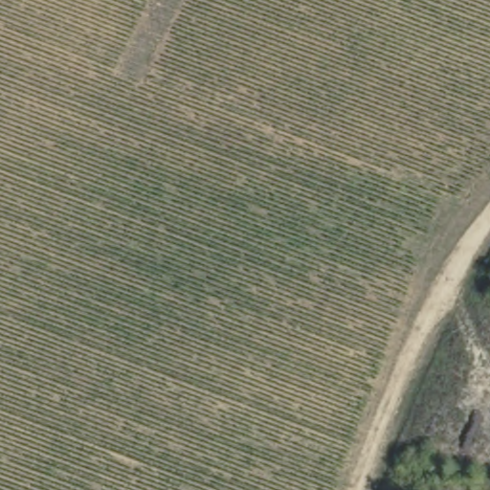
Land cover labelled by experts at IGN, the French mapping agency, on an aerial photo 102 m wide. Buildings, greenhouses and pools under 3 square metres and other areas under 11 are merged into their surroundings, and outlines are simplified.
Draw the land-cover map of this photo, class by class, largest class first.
<instances>
[{"label":"vineyard","instance_id":"1","mask_svg":"<svg viewBox=\"0 0 490 490\"><path fill-rule=\"evenodd\" d=\"M490 163V0H0V490H343L337 484V471L345 463L346 452L354 442L358 425L364 421L362 410L367 404L366 398L358 396L356 389L371 392V385L367 383V379L379 373V364L383 360L385 346L389 341L390 325L398 318L392 306H400L408 291L413 255L408 247L402 245V241L415 234L417 230L427 232V226L421 224H425L427 218L433 216L436 201L457 199L456 193L463 189L465 182L471 180V176L482 174V167Z\"/></svg>","mask_w":490,"mask_h":490},{"label":"herbaceous vegetation","instance_id":"2","mask_svg":"<svg viewBox=\"0 0 490 490\"><path fill-rule=\"evenodd\" d=\"M457 199L436 201L433 216L427 218L425 224H421L427 226V232L417 230L415 234L402 241V245L408 247L413 255L408 291L400 306H392L398 318L390 325L389 341L385 346L383 360L379 364V373L367 379V383L371 385V392L356 389L358 396L366 398L367 404L362 410L364 421L358 425L354 442L346 452L345 463L337 471V484L343 490H354L350 486V475L356 469L358 457L362 454V444L366 442L367 431L377 413L379 402L389 389L392 371L406 346V341L412 335L415 318L421 312L425 301L429 299L434 281L442 274L448 258L456 251L459 239L490 205V163L482 167V174L471 176V180L465 182L463 189L456 193ZM425 436L427 444L434 452H440L444 456V463H454L457 456H467L475 461L490 463V291L477 293L473 281L467 276L461 281V289L452 310L434 325L415 360L412 379L402 392L400 406L387 427L389 442H404L410 438ZM436 477L434 469H425L421 473L404 477L396 471V467H389L383 461L377 467V479L367 480L364 490H419L425 484V480Z\"/></svg>","mask_w":490,"mask_h":490},{"label":"pervious surface","instance_id":"3","mask_svg":"<svg viewBox=\"0 0 490 490\"><path fill-rule=\"evenodd\" d=\"M490 235V205L459 239L456 251L448 258L442 274L434 281L429 299L425 301L421 312L415 318L412 335L406 341V346L392 371L389 389L379 402L377 413L367 431L366 442L362 444V454L358 457L356 469L350 475V486L354 490H364L367 480L377 479V467L383 461V454L389 442L387 427L400 406L402 392L412 379L415 360L434 325L452 310L461 289V281L467 276L473 260L479 256L480 247Z\"/></svg>","mask_w":490,"mask_h":490},{"label":"coniferous trees","instance_id":"4","mask_svg":"<svg viewBox=\"0 0 490 490\"><path fill-rule=\"evenodd\" d=\"M383 461L389 467H396V471L404 477L421 473L425 469H434L436 477L425 480V484L419 490H490V463L475 461L467 456H457L454 463H444V456L440 452H434L427 444L425 436L410 438L404 442H389L383 454Z\"/></svg>","mask_w":490,"mask_h":490},{"label":"brushwood","instance_id":"5","mask_svg":"<svg viewBox=\"0 0 490 490\"><path fill-rule=\"evenodd\" d=\"M473 281L477 293L490 291V235L480 247L479 256L473 260L467 276Z\"/></svg>","mask_w":490,"mask_h":490}]
</instances>
